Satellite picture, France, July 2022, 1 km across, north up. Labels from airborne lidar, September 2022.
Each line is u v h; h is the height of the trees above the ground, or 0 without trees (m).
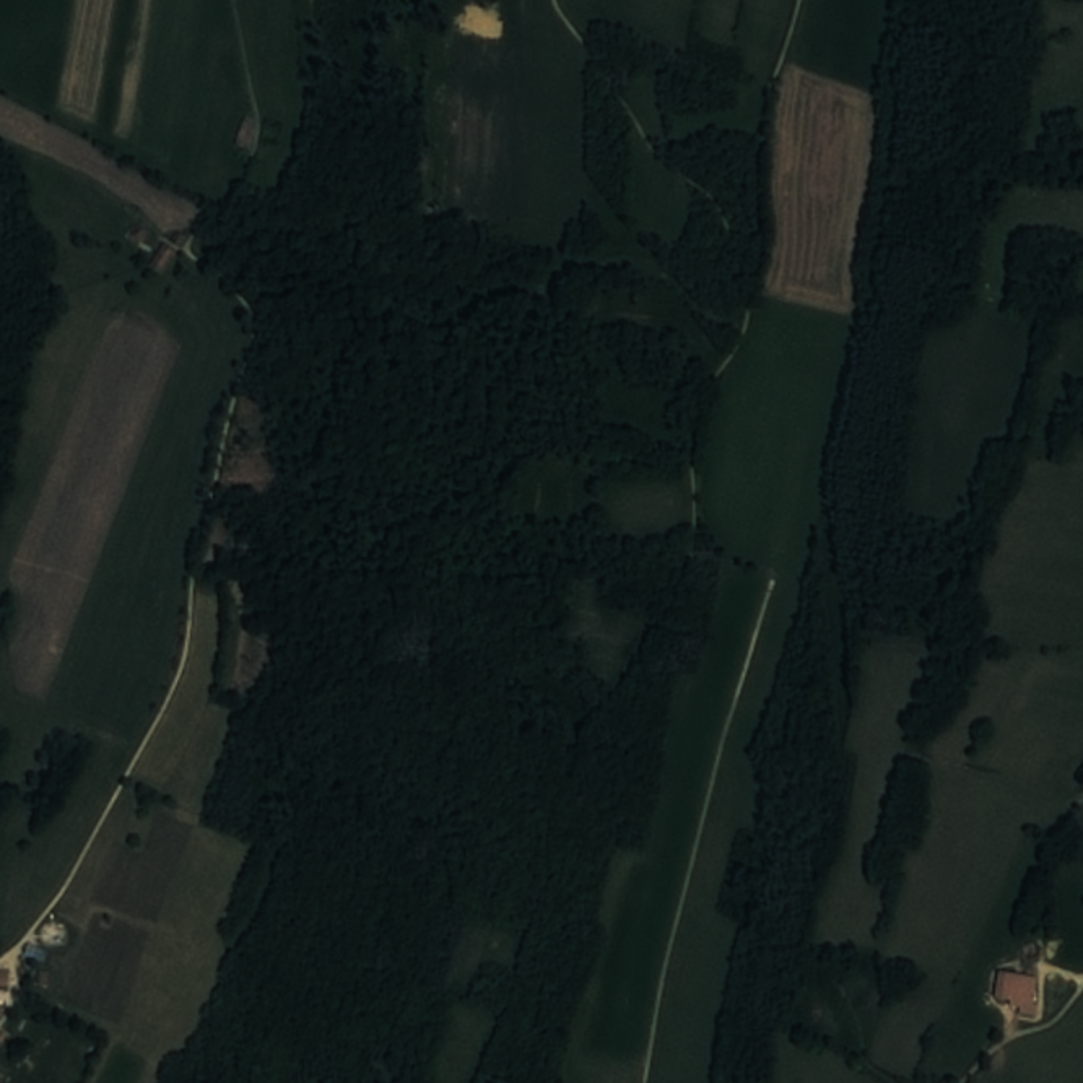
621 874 0
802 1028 13
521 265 24
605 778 17
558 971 15
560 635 18
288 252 33
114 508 0
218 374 0
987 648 17
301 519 15
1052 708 0
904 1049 0
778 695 11
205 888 0
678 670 10
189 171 0
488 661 20
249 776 23
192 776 0
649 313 0
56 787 21
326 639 21
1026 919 18
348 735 23
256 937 17
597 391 20
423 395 20
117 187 0
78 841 0
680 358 14
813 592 16
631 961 0
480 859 14
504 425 13
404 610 22
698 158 15
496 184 0
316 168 24
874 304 20
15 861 0
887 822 15
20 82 0
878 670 0
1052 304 23
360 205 29
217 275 22
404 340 35
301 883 19
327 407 8
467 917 12
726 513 0
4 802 20
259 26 0
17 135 0
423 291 25
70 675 0
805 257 0
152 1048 0
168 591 0
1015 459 21
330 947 12
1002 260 0
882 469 18
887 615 29
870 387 23
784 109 0
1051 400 0
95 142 8
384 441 16
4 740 12
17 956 0
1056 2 0
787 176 0
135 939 0
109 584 0
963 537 10
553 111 0
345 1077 13
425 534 20
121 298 0
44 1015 20
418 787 18
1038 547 0
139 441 0
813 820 21
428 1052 11
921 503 0
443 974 14
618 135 11
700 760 0
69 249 0
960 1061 0
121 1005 0
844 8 0
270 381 23
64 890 0
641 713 16
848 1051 9
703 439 17
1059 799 0
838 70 0
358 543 22
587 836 14
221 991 13
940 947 0
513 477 27
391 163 23
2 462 21
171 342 0
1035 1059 0
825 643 14
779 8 0
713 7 0
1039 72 16
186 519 0
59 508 0
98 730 0
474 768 16
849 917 0
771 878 20
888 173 15
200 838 0
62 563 0
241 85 0
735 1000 16
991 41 21
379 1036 13
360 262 31
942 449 0
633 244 0
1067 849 17
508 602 21
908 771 16
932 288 12
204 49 0
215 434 22
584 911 18
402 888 21
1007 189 11
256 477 0
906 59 22
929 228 19
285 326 26
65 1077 0
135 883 0
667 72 14
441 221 24
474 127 0
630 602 10
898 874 17
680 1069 0
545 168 0
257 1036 14
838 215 0
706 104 9
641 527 0
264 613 21
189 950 0
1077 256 19
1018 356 0
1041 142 12
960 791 0
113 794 0
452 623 16
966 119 13
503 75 0
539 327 22
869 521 17
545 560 19
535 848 9
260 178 0
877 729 0
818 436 0
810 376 0
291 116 0
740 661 0
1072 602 0
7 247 12
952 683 19
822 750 20
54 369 0
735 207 16
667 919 0
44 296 24
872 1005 0
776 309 0
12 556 0
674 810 0
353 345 28
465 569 11
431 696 25
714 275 16
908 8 13
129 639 0
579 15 0
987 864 0
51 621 0
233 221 21
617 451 14
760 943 11
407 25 30
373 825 26
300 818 25
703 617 11
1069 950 0
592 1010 0
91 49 0
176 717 0
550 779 16
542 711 18
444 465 20
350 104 20
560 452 22
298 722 18
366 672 21
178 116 0
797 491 0
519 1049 12
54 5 0
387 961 16
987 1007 0
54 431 0
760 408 0
